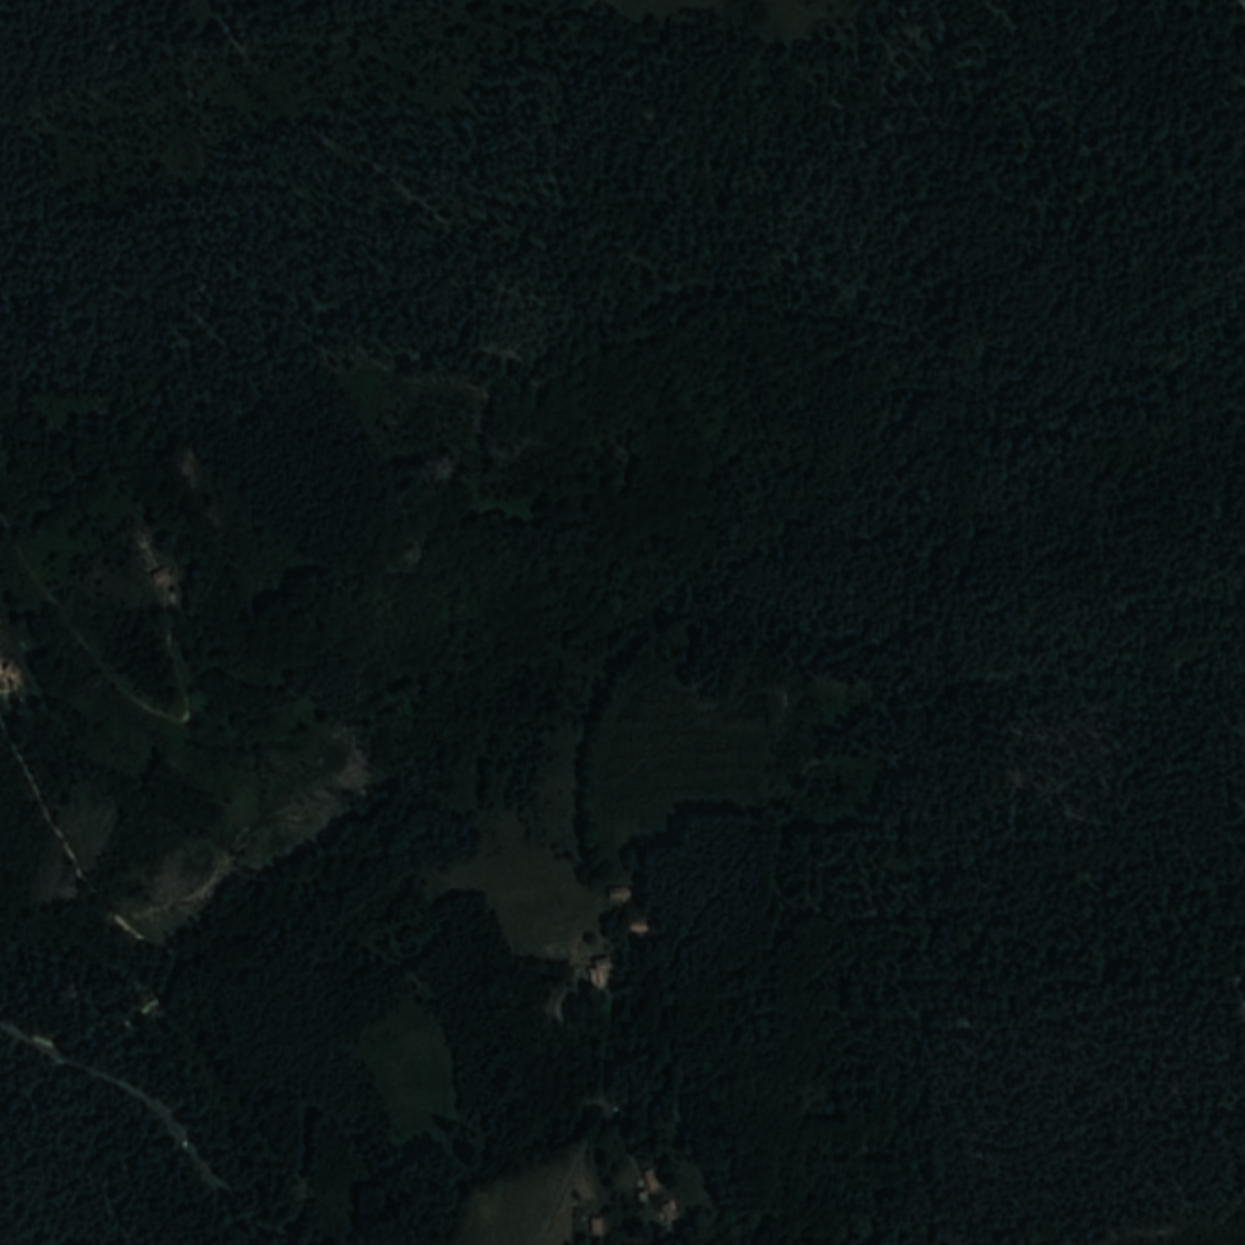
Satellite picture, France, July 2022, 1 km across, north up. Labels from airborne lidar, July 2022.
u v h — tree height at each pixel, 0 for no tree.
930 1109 22
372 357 15
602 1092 19
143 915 0
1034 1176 22
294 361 19
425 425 7
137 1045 25
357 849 22
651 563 15
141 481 23
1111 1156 22
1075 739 24
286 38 14
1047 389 23
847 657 16
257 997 24
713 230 24
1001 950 23
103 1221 25
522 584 21
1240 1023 22
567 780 0
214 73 14
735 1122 26
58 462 16
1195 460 22
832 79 11
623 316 21
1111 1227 22
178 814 19
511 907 0
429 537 15
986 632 18
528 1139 8
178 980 24
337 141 18
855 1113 23
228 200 20
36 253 22
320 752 0
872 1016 20
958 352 25
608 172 22
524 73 25
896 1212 25
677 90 20
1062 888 25
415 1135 0
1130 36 17
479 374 16
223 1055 17
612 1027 9
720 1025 19
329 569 16
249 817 0
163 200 22
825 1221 22
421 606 16
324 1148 22
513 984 16
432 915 11
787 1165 20
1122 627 20
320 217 26
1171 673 16
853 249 26
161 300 26
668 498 24
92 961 17
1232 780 18
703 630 14
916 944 20
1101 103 24
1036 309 23
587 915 0
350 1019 22
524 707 25
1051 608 13
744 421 25
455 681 20
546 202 20
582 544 15
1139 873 23
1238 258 21
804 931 22
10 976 25
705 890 24
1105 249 14
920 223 28
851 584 29
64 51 24
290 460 27
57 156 16
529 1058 14
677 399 27
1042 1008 22
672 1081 20
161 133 13
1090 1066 23
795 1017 22
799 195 22
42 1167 22
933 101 22
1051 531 21
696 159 20
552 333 25
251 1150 20
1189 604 15
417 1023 0
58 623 15
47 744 18
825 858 23
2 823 13
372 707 20
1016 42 23
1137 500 20
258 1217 15
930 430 25
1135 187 15
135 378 20
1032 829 20
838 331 19
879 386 21
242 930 20
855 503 28
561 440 26
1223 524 11
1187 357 18
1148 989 24
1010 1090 26
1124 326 20
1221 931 22
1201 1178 25
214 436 26
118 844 7
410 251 28
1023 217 22
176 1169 27
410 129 12
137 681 9
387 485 22
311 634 21
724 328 22
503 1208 0
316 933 29
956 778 26
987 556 20
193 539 16
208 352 18
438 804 14
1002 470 22
